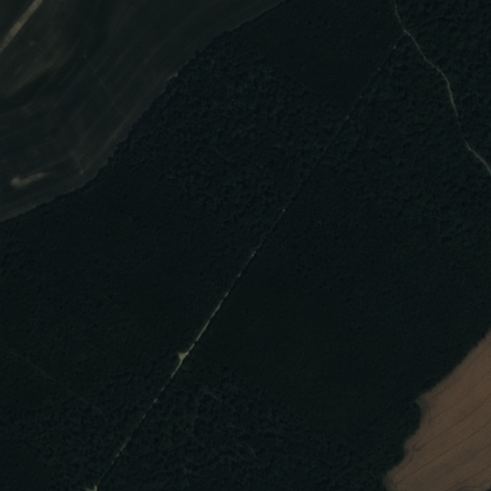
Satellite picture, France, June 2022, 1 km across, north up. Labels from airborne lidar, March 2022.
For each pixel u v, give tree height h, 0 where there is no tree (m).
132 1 0
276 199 24
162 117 25
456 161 18
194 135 23
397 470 0
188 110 21
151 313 10
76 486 22
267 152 25
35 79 0
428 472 0
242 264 14
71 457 22
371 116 23
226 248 19
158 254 10
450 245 18
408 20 23
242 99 26
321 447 22
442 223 19
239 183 24
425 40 22
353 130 23
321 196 0
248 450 18
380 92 22
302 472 18
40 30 0
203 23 0
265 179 23
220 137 23
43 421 6
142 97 0
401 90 23
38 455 18
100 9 0
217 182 25
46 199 0
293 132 23
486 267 15
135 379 21
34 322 6
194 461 22
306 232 17
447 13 20
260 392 15
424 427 0
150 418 20
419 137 21
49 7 0
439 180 20
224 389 19
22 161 0
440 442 0
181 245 10
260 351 12
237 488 23
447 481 0
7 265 25
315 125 20
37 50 0
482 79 22
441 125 17
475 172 21
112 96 0
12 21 0
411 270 11
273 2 0
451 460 0
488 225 17
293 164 24
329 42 8
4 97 0
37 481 13
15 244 25
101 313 6
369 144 23
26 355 18
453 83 11
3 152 0
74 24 0
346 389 9
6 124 0
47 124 0
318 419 10
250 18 0
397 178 19
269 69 0
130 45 0
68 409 24
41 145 0
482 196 19
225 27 0
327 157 21
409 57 23
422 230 20
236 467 23
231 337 10
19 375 6
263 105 24
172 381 16
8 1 0
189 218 19
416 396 13
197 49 0
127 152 20
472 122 20
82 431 16
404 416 18
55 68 0
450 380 0
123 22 0
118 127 0
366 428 17
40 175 0
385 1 22
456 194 21
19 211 0
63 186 0
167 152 23
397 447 19
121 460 19
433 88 17
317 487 24
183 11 0
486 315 12
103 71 0
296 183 22
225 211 22
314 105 22
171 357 20
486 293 16
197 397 23
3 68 0
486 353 0
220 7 0
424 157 22
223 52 14
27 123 0
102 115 0
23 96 0
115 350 5
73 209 12
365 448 20
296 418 19
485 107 24
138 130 23
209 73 23
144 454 22
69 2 0
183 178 26
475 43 6
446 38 21
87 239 7
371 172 24
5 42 0
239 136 23
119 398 21
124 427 23
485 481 0
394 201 21
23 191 0
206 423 25
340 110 22
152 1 0
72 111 0
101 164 0
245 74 20
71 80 0
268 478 19
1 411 6
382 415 17
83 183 0
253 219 22
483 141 18
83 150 0
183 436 18
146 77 0
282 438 14
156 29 0
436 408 0
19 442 14
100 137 0
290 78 23
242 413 18
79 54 0
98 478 19
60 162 0
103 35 0
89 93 0
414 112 20
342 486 20
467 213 20
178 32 0
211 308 15
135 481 20
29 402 8
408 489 0
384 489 17
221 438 19
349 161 20
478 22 21
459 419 0
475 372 0
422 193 23
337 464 22
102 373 7
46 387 6
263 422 21
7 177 0
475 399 0
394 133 24
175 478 25
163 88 0
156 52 0
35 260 10
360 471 23
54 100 0
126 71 0
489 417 0
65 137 0
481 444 0
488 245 18
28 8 0
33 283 10
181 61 0
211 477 20
